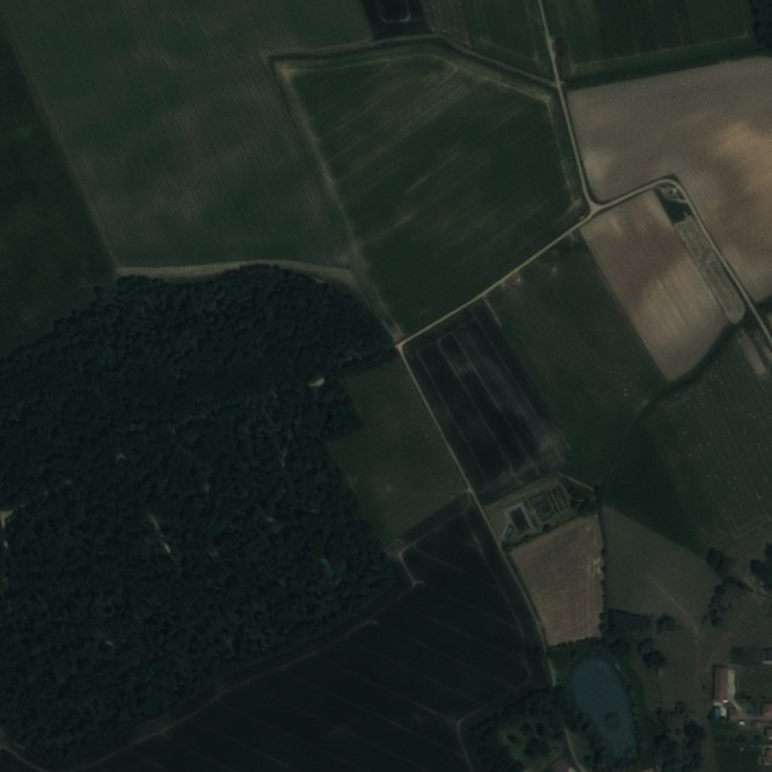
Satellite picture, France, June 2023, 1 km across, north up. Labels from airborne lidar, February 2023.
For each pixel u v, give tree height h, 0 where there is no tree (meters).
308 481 27
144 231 0
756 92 0
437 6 0
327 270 0
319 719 0
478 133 0
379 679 0
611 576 0
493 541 0
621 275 0
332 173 0
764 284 0
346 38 0
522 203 0
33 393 28
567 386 0
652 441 0
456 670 0
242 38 0
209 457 28
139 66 0
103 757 0
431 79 0
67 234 0
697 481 0
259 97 0
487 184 0
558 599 0
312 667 0
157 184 0
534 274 0
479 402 0
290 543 28
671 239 0
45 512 36
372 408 0
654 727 0
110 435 25
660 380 0
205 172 0
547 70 0
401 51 0
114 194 0
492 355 0
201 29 0
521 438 0
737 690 0
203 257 0
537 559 0
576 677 0
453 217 0
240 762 0
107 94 0
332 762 0
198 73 0
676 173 0
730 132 0
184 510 29
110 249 0
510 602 0
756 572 12
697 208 0
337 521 26
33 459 29
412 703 0
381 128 0
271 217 0
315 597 7
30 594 9
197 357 24
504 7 0
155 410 24
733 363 0
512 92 0
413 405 0
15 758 0
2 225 0
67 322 9
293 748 0
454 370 0
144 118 0
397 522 0
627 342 0
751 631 0
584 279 0
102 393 23
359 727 0
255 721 0
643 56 0
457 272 0
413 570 0
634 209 0
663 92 0
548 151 0
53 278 0
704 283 0
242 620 28
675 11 0
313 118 0
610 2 0
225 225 0
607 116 0
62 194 0
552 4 0
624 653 14
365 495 0
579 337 0
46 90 0
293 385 20
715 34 0
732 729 0
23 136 0
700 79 0
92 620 29
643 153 0
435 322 0
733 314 0
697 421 0
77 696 25
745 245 0
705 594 0
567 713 20
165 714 21
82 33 0
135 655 31
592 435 0
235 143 0
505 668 0
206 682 16
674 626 14
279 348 26
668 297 0
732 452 0
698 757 11
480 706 0
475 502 0
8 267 0
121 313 21
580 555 0
